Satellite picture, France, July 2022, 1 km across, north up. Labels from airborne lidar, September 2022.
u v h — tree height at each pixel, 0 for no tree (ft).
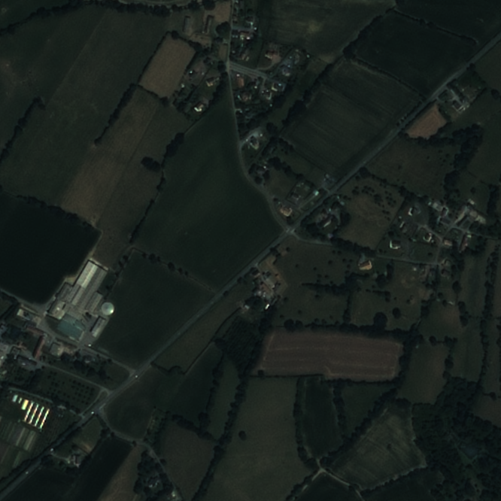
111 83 0
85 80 0
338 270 0
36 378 39
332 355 0
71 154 0
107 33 0
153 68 0
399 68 0
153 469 47
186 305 0
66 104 0
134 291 0
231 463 0
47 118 0
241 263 0
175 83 0
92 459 41
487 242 21
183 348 0
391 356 0
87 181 0
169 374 31
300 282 0
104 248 0
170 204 0
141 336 0
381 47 0
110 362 36
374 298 0
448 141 28
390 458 0
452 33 22
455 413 28
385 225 0
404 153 0
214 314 0
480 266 0
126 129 0
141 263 0
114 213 0
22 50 0
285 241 0
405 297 0
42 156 0
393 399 51
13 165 0
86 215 0
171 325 0
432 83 0
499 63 0
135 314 0
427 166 0
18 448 0
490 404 0
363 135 0
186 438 0
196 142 0
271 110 38
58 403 46
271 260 0
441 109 25
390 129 0
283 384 0
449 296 0
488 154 0
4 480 23
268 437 0
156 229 0
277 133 72
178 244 0
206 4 66
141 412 0
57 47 0
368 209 0
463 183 0
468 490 62
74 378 0
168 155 43
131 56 0
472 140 80
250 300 30
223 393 0
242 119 39
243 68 0
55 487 0
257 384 0
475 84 0
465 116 0
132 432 0
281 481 0
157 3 0
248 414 0
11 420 0
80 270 0
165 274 0
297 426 20
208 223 0
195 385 0
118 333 0
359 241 0
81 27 0
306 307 0
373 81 0
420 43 0
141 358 0
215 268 0
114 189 0
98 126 0
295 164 0
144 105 0
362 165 0
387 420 0
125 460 0
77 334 0
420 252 0
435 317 0
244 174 0
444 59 0
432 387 0
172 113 0
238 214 0
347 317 41
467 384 24
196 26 0
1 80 0
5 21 0
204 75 0
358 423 0
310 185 25
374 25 33
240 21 0
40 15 48
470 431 21
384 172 0
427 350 0
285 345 0
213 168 0
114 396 0
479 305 0
